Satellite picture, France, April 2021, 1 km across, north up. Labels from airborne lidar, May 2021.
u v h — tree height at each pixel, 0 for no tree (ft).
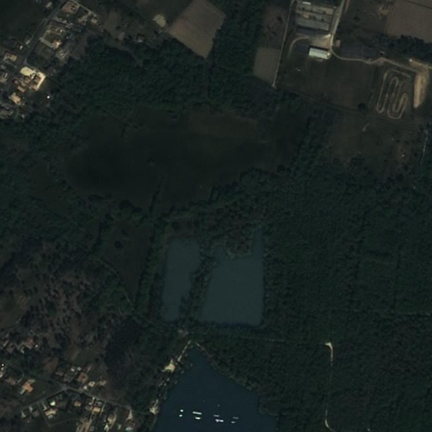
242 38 56
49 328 61
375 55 0
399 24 0
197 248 0
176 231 72
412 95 0
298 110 33
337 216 50
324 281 57
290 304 62
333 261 44
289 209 52
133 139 0
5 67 0
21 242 59
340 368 45
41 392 0
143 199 0
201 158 0
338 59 0
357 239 63
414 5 0
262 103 47
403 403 52
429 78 0
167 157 0
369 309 52
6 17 0
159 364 44
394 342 52
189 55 59
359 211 51
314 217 63
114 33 0
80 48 0
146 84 75
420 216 72
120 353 58
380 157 0
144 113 0
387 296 40
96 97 72
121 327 52
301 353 58
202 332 60
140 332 56
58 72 37
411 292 57
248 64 54
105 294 68
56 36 0
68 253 55
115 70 77
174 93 69
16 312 0
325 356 50
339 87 0
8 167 39
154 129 0
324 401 50
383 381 34
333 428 35
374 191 58
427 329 63
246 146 0
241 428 0
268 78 0
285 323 45
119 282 40
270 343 47
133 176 0
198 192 0
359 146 0
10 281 52
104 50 38
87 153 0
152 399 60
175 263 0
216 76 70
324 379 59
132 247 0
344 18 0
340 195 52
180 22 0
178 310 0
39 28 0
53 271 59
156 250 59
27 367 58
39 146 42
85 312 66
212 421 0
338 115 39
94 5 0
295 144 0
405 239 46
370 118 0
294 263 62
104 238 59
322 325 56
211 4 0
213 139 0
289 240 61
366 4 0
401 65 0
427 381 59
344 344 20
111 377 68
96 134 0
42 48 0
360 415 48
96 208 61
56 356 56
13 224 39
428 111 0
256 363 56
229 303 0
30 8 0
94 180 0
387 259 72
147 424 40
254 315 0
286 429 65
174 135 0
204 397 0
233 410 0
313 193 43
